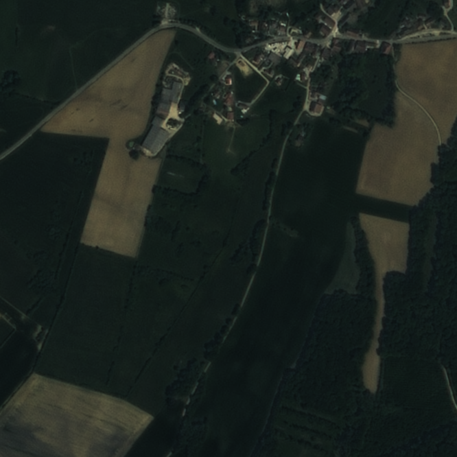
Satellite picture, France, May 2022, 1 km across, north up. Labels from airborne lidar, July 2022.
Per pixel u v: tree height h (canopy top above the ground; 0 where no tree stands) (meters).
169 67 0
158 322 0
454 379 11
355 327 27
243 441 0
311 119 0
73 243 0
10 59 0
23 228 0
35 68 0
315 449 17
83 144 0
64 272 0
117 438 0
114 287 0
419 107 0
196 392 6
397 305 27
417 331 22
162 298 0
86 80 0
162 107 0
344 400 27
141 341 0
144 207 0
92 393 0
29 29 0
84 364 0
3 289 0
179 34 0
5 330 0
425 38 0
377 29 0
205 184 19
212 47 0
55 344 0
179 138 0
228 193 0
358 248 9
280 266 0
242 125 11
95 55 0
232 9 0
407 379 6
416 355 23
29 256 9
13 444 0
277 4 0
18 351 0
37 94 0
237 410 0
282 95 0
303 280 0
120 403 0
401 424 10
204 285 0
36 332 0
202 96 19
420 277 30
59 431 0
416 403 7
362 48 0
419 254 22
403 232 0
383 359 9
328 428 16
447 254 24
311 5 0
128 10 0
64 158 0
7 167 0
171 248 0
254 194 0
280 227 7
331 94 0
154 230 10
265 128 0
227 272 0
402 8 8
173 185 0
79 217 0
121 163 0
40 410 0
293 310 0
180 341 0
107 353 0
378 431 8
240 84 0
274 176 14
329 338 29
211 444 0
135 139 0
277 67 12
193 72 0
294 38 0
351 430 21
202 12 0
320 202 0
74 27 0
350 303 24
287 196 0
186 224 0
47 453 0
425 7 0
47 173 0
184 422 14
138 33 0
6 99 8
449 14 0
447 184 15
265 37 12
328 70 23
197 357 0
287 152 0
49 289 8
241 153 0
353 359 25
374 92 0
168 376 0
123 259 0
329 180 0
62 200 0
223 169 0
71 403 0
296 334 0
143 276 6
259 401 0
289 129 15
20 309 0
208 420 10
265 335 0
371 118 14
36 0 0
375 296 7
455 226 25
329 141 0
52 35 0
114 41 0
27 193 0
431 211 24
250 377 0
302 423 0
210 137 0
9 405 0
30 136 0
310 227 0
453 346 23
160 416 0
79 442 0
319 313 17
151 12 0
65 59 0
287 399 20
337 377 31
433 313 21
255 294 0
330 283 0
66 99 0
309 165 0
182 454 0
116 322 0
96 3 0
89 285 0
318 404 25
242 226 0
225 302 0
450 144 17
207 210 0
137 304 0
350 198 0
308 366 28
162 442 0
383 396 7
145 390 0
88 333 0
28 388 0
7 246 0
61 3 0
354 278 0
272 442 21
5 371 0
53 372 0
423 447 28
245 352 0
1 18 0
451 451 27
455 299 21
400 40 0
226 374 0
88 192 0
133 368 0
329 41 0
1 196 0
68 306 0
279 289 0
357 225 6
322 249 0
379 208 0
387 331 19
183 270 0
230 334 0
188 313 0
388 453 6
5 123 0
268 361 0
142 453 0
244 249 13
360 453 9
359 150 0
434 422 8
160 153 0
